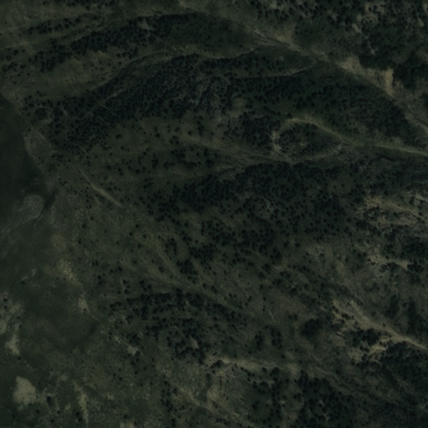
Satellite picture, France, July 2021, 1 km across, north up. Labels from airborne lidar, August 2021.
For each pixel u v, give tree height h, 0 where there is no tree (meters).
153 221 0
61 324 0
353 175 9
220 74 0
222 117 0
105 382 0
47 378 0
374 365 17
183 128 0
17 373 0
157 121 0
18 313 0
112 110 7
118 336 0
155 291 0
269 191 8
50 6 0
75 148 7
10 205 0
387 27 9
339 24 14
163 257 0
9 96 0
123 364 0
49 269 0
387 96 0
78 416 12
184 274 8
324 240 7
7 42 0
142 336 0
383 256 7
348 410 11
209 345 9
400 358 13
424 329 8
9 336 0
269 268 18
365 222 10
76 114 9
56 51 8
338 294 8
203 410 0
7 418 0
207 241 0
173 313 8
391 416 14
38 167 0
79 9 0
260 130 14
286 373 0
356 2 18
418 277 9
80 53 14
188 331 7
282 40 0
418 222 9
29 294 0
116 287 0
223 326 0
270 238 9
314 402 22
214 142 0
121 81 7
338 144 0
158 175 0
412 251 19
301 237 0
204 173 0
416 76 8
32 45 0
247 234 19
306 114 0
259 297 0
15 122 0
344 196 6
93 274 0
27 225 0
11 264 0
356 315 0
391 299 14
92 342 0
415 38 10
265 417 0
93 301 0
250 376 14
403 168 8
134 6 0
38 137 0
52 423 7
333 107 6
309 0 0
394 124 7
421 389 7
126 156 0
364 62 11
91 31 0
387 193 15
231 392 0
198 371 0
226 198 11
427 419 8
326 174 7
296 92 15
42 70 14
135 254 0
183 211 9
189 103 11
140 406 0
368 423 8
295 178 16
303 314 0
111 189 9
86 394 0
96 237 0
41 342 0
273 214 12
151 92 16
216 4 0
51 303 0
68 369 0
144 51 0
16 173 0
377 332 0
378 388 9
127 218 0
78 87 0
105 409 0
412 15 8
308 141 9
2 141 0
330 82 8
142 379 0
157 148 0
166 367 0
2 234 0
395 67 11
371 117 6
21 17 0
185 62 10
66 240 0
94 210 0
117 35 12
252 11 0
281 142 11
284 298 0
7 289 0
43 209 0
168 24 16
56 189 0
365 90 10
